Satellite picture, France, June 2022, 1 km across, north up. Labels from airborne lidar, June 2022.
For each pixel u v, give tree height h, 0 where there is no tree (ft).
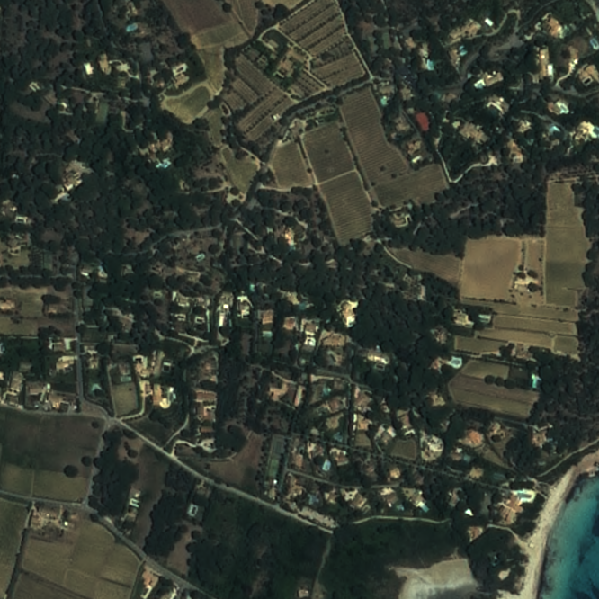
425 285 41
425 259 0
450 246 48
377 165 0
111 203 37
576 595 0
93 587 0
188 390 39
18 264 0
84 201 38
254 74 0
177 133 54
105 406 23
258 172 18
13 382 0
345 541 42
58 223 37
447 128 30
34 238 21
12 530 0
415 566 0
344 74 0
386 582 0
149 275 32
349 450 32
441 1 20
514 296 19
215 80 0
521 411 0
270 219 36
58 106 40
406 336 54
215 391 29
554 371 20
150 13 23
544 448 30
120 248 45
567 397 34
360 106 0
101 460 41
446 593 0
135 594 0
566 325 0
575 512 0
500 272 0
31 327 0
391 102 25
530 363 33
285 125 32
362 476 30
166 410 0
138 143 29
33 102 35
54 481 0
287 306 46
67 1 43
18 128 26
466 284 0
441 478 43
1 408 0
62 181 35
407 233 43
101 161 41
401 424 37
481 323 29
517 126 26
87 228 27
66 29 39
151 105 27
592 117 20
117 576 0
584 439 22
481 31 35
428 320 47
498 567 37
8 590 22
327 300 42
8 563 0
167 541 41
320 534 27
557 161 52
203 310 33
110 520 0
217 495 30
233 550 34
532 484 48
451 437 46
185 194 28
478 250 0
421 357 44
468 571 0
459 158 0
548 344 0
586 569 0
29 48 30
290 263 40
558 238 0
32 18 37
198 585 19
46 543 0
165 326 43
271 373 32
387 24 33
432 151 23
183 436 30
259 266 33
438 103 36
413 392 29
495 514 26
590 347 44
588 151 36
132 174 37
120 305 45
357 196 0
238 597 18
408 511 34
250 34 0
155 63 30
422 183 0
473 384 0
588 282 29
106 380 22
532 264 0
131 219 39
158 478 0
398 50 31
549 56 0
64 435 0
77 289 34
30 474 0
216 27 0
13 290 0
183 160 43
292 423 36
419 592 0
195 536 39
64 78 42
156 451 19
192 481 37
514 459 17
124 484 39
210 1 0
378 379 46
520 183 39
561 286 0
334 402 0
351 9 43
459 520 47
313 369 38
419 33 40
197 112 0
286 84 24
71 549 0
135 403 0
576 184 25
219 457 27
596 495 0
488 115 0
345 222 0
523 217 52
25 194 49
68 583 0
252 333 36
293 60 25
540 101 23
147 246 39
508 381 33
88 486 0
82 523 0
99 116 0
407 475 33
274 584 22
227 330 40
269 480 27
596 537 0
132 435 36
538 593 0
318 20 0
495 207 49
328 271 33
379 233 26
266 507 19
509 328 0
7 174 35
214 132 0
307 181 0
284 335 20
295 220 38
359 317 47
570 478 0
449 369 43
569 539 0
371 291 41
